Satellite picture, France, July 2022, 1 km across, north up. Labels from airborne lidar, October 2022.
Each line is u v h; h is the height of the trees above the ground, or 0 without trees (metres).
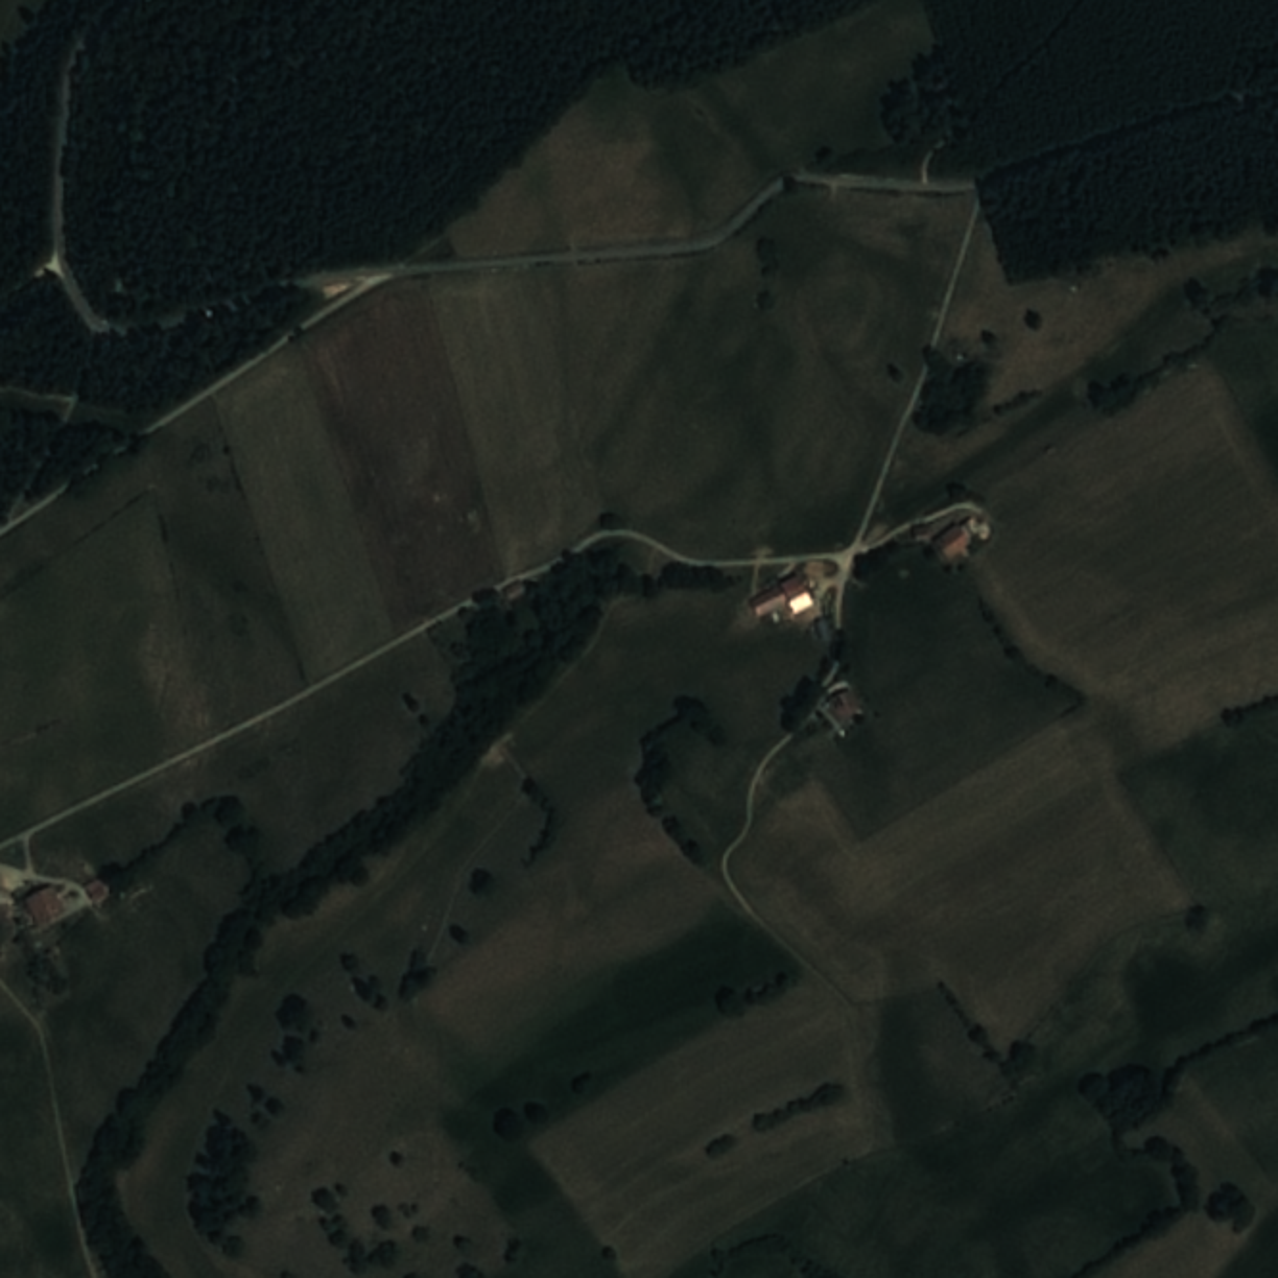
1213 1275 0
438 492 0
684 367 0
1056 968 0
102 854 0
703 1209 0
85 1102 0
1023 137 20
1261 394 0
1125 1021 0
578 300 0
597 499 0
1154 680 0
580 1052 0
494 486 0
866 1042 0
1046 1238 0
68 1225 0
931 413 13
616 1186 0
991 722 0
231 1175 16
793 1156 0
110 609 0
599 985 0
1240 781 0
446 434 0
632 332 0
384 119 30
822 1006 0
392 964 0
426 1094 0
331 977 0
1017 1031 0
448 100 26
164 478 0
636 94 0
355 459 0
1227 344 0
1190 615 0
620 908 0
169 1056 21
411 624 0
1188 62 19
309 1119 0
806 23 33
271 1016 0
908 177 0
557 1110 0
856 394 0
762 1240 6
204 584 0
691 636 0
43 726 0
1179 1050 0
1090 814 0
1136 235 13
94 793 0
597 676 0
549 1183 0
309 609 0
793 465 0
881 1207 0
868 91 0
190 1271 0
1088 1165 0
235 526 0
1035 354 0
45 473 14
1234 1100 0
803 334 0
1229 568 0
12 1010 0
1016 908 0
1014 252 15
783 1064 0
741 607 0
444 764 8
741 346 0
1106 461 0
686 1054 0
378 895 0
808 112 0
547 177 0
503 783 0
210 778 0
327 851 9
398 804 11
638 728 0
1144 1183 0
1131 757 0
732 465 0
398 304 0
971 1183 0
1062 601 0
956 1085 0
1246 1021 0
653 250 0
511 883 0
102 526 0
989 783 0
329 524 0
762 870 0
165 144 27
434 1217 0
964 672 0
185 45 21
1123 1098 25
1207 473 0
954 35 15
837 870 0
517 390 0
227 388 0
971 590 0
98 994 0
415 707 20
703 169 0
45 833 0
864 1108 0
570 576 16
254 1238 0
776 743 0
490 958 0
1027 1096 0
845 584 0
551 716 0
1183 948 0
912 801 0
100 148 7
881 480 0
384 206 27
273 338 12
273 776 0
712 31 33
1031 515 0
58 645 0
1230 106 20
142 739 0
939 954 0
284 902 12
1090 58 19
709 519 0
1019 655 12
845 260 0
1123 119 19
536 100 30
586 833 0
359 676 0
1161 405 0
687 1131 0
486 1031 0
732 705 0
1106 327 0
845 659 10
